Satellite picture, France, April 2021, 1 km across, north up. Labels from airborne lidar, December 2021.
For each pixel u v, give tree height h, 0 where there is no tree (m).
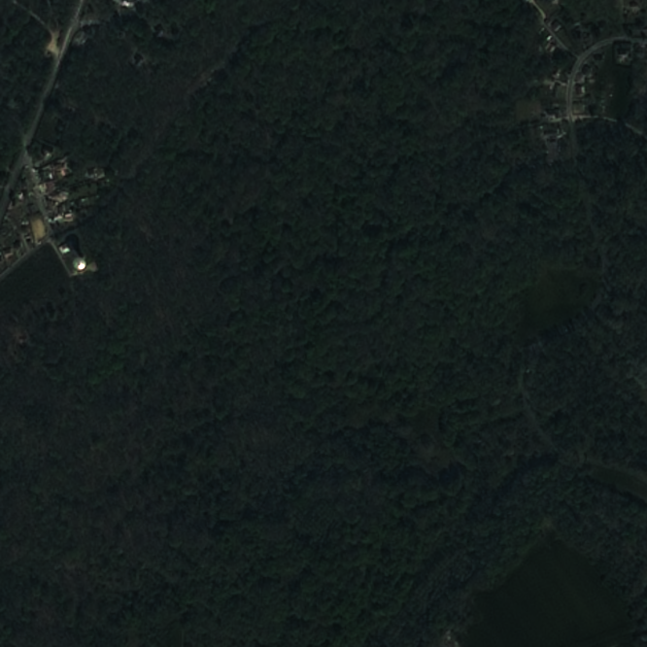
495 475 23
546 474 17
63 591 23
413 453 10
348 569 29
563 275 0
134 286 26
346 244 32
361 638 25
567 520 28
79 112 16
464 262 31
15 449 14
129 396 31
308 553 25
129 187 24
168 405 13
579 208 28
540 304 0
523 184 32
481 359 23
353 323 34
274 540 18
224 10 26
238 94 29
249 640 22
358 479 29
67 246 0
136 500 29
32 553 18
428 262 25
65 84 22
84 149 17
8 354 21
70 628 24
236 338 25
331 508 26
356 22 29
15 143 21
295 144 31
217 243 30
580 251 21
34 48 18
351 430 10
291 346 23
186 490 30
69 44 0
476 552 13
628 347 15
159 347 28
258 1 27
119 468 9
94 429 16
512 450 14
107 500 23
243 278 31
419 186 30
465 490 26
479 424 17
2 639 16
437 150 27
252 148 11
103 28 18
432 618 29
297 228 19
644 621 21
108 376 27
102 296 18
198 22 25
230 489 35
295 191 33
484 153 27
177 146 26
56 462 25
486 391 27
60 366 23
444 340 28
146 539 29
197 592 22
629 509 21
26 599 25
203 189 31
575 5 15
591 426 35
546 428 23
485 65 32
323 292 19
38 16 20
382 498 34
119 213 27
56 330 17
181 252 34
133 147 26
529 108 0
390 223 19
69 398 23
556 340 29
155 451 22
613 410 21
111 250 23
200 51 30
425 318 30
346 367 27
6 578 26
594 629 0
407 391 20
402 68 26
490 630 0
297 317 22
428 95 13
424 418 0
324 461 31
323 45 30
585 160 20
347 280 30
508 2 23
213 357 23
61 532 18
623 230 8
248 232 27
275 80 30
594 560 11
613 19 8
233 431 33
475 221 30
